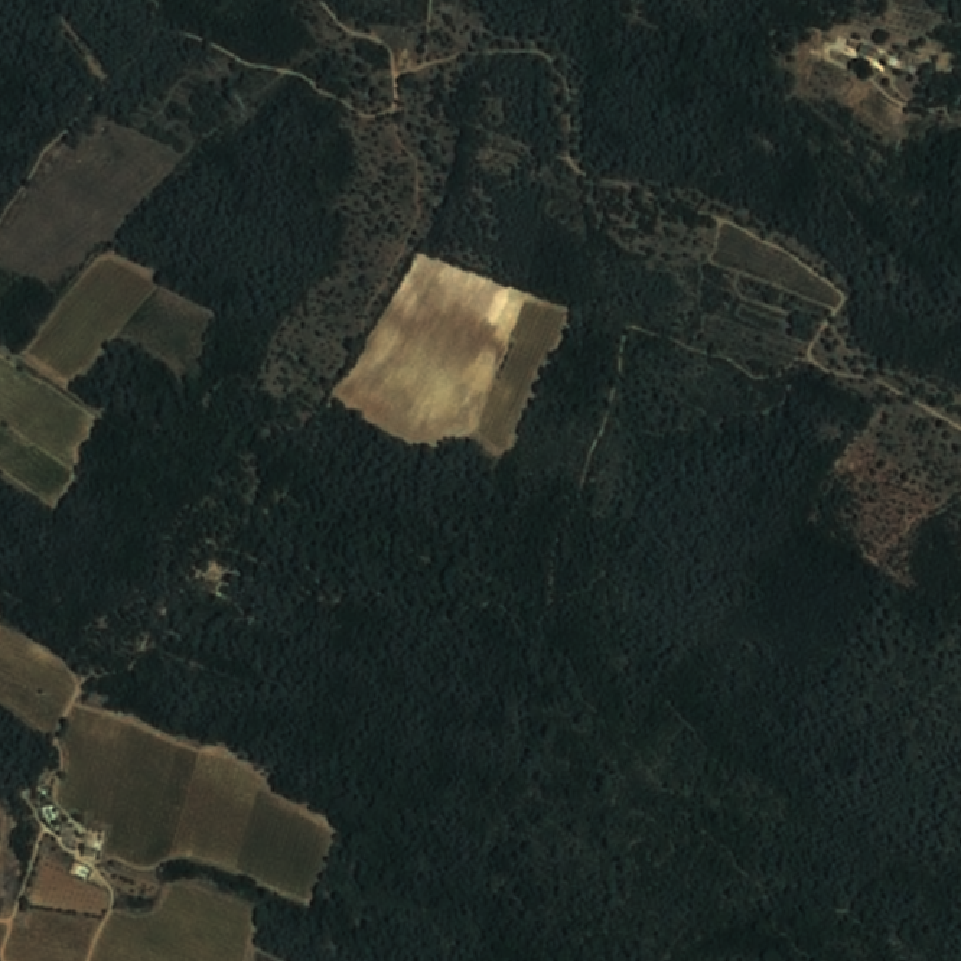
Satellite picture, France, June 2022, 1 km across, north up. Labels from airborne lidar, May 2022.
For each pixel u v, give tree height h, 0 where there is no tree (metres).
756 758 9
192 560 9
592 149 18
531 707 19
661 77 15
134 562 12
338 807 13
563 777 6
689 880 14
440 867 19
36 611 13
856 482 6
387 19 7
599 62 15
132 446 18
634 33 13
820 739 16
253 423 12
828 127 11
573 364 14
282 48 7
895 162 8
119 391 18
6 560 18
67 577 14
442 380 0
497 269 13
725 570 13
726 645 6
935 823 14
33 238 0
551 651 9
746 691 7
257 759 19
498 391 0
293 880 0
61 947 0
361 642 17
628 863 24
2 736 17
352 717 9
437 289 0
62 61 18
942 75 13
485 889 16
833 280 16
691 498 20
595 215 7
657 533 15
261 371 7
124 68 18
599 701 6
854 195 12
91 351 0
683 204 9
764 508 20
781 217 17
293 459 13
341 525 12
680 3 18
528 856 20
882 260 11
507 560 5
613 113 23
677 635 16
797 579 7
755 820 8
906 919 12
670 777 6
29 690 0
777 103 12
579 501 16
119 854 0
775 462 17
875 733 12
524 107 10
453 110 8
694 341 12
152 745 0
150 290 0
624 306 13
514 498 7
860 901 10
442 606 12
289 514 20
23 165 17
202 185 19
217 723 20
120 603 13
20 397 0
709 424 14
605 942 9
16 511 17
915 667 8
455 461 18
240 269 18
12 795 15
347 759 14
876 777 20
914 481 7
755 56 18
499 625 17
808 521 7
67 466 0
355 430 9
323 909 13
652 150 18
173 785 0
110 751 0
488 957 11
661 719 6
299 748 18
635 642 17
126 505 14
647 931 16
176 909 0
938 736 12
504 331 0
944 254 9
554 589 9
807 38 15
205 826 0
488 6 14
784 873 13
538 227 8
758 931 14
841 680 18
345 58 6
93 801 0
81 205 0
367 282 17
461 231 12
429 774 9
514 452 8
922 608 7
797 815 6
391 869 13
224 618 22
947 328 16
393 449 19
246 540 13
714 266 7
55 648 16
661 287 11
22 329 11
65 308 0
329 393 7
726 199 12
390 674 9
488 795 7
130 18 21
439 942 16
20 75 13
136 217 9
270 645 8
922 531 8
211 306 18
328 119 9
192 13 6
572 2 17
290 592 23
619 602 10
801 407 16
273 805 0
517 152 6
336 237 7
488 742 16
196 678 13
